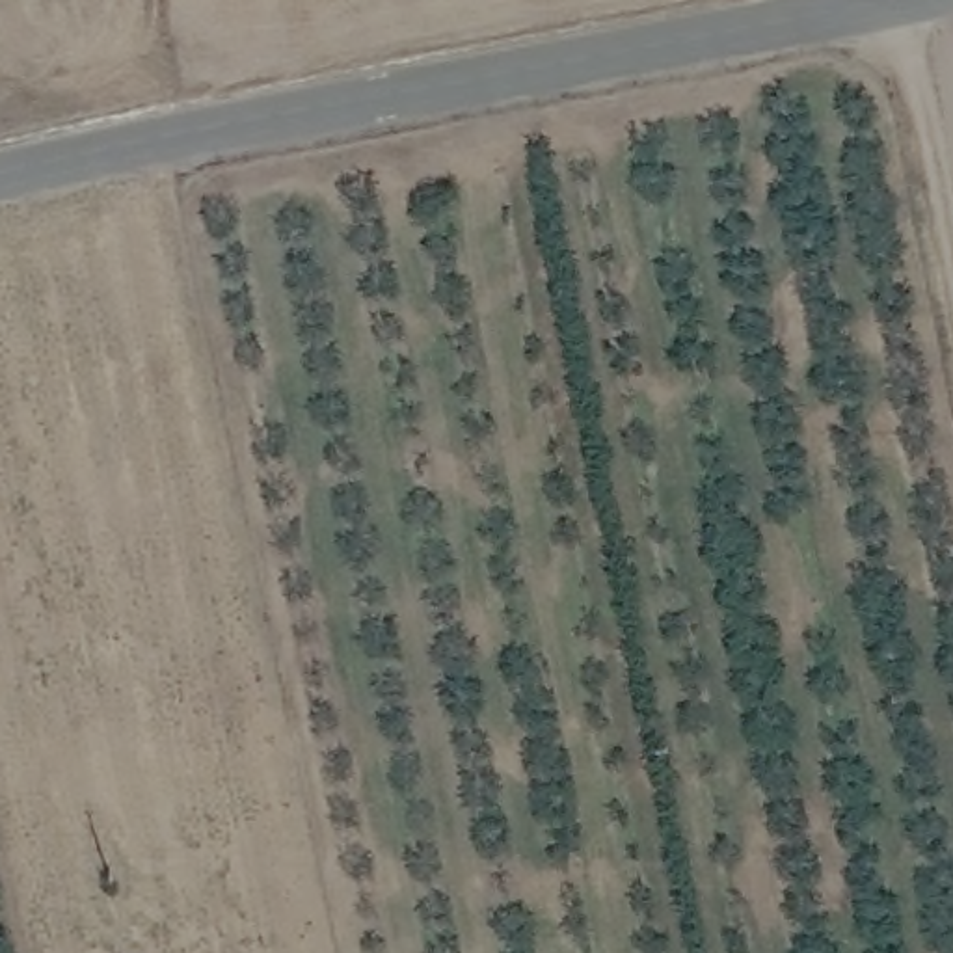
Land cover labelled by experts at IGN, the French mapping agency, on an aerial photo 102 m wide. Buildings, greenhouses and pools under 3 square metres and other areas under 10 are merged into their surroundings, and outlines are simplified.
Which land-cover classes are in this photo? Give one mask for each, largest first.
<instances>
[{"label":"herbaceous vegetation","instance_id":"1","mask_svg":"<svg viewBox=\"0 0 953 953\"><path fill-rule=\"evenodd\" d=\"M774 78L793 97L808 101L812 130L819 134L815 164L823 168L826 194H845V123L834 108V89L841 82L864 86V93L875 101V123L886 149V182L897 197V235L905 249L901 264L893 268V279L912 287V328L916 346L927 361V402L934 436L923 454L908 458L897 436V409L886 402L867 413V447L879 465L875 499L890 517L886 570H893L908 584L905 622L916 637L912 689L923 711V730L938 748V797L905 800L893 785L905 759L893 748L890 718L879 711L882 681L867 666L864 625L849 599L860 544L849 532V488H841L834 477L838 450L830 428L838 424V409L819 402V391L808 383L812 346L804 302L797 294V272L785 253L782 220L767 205L774 168L763 156L771 119L759 112V89ZM715 108H726L737 119V164L748 168V246L763 253L774 287L767 294H733L718 279V242L711 223L726 212L722 201L711 197V168L722 164V141L700 145L696 127V115ZM651 119H659L666 130L659 160L674 164V186L666 201H648L629 190V130H644V123ZM529 138H547L551 145L566 238L581 275V313L588 324L592 380L603 395L611 484L622 514V532L633 540L629 562L637 566L648 674L655 681L659 733L666 741L663 748L678 774V819L689 841V867L700 901L707 953H789L797 931L782 908L785 879L774 867L778 849L774 834L767 830L763 789L748 771L741 700L730 689L722 611L715 607V570L700 558L696 488L704 473L696 436L726 439L730 469L745 477L741 514L763 536L759 577L767 584V614L782 629V700L797 711L793 756L800 763L808 841L819 856V908L826 912V934L841 946V953H864V938L852 927V905L845 890L849 856L834 830V797L823 789V763L830 759L823 726L841 718H856V752L875 771L871 800H879L882 812L867 823V841L879 845L882 886L897 893L905 953H931L919 931V897L912 879L916 867H923L927 852H919L905 838L901 823L916 812H938L946 819V849L953 856V711L946 707L949 685L934 670L938 599L927 547L912 525V484L927 477V469H942L953 503V15L856 37H830L663 71L618 74L551 93H517L421 115H376L369 123L342 130L201 149L164 164L175 179L179 201V231L168 235V246L175 261L179 298L186 309L194 369L205 383L201 406L205 417H212L220 428L216 454L231 473V503L242 525L246 566L253 577L246 584L242 607L257 614L261 644L268 655L264 663H253V678L257 685L275 681L283 715L294 711V692L305 689L313 737L316 748L328 756V812L339 826V864L354 879L365 953H424L417 901L439 890L450 897L462 953H499L503 942L495 938L488 919L495 905L510 901H525L536 912V953H581L562 919V882H577L584 897L592 953H644L633 942V934L640 931V912H633L629 905V882H644L648 871L663 864V838L655 823L651 778L644 767L640 722L629 704L622 629L603 573V532L588 499L581 436L570 409L566 369L547 298V264L536 249L532 197L525 182ZM350 171H372L376 179L387 223V261L395 264L398 279L395 298H365L357 290V279L365 275V257L346 246L350 205L339 194V179ZM428 179H454L458 201L417 223L409 220L406 201L409 190ZM208 194L235 201L238 227L231 235L212 238L205 231L201 197ZM287 197H302L316 208L313 231L305 235L302 249H309L324 268V298L331 305V331L342 357L339 372L328 369L305 376L302 365V342L290 294L283 287V249L275 235V212ZM450 223H458V272L465 275L477 309L480 342L469 354H454L439 339V331L458 328L450 313L436 302V261L421 246V235L447 231ZM663 246H685L692 253L696 272L689 287L704 302L696 339L715 342V372H678L666 357L678 324L666 313L663 290L655 283V257ZM223 290H246L253 298V331L261 342L257 369L235 361V339L223 316ZM737 305L771 309L774 342H782L785 350V395L800 417V447L812 499L800 503V510H793L782 525L771 521L763 510V495L774 488V477L763 458V436L752 428L756 387L745 380L741 339L730 331V313ZM618 335L637 339V354L629 357L625 376L611 369L599 346L603 339ZM313 391H346L350 421L316 424L309 417ZM264 421H279V424H283V432H287V454H283V458H257V454H253V443L268 436ZM339 436H346L357 447V469H335L324 462V443ZM335 484H361L369 503L365 514L380 525V547L365 566H350L335 544V532L350 529L346 517L331 514ZM409 488L439 491V525H413L398 517V499ZM488 510H514L510 551L517 562V577L525 581L517 592H499L491 584V540L477 532V521ZM424 540H447L454 555L462 625L469 637H477V678L484 685L480 730L491 748V767L499 771V812L510 826L506 852L488 860L473 849L469 838L473 815L462 804L450 715L439 704L443 674L428 655L436 629L432 607L421 599L424 581L417 573V555ZM383 614H395L402 651L372 659L354 640V633L361 618ZM815 622H823L838 637V663L849 674L845 696L819 700L808 689L812 651L804 644V629ZM503 644L532 648L544 685L555 696L562 745L570 752L581 845L558 867H551L547 860V823L529 812V778L521 763L525 730L514 718V685L499 670ZM383 670H395L406 681L409 733L421 752L417 793L432 804V819H421L413 826H406V804H398L387 778L391 741L376 726L380 700L369 689V678ZM413 841L436 845L439 875L421 882L409 879V871L402 867V849ZM852 339L875 369H886L882 324L871 313L864 320H852Z\"/></svg>","mask_w":953,"mask_h":953},{"label":"agricultural land","instance_id":"2","mask_svg":"<svg viewBox=\"0 0 953 953\"><path fill-rule=\"evenodd\" d=\"M771 0H0V153L175 112L223 108L354 78H387L402 67L555 45L670 19L756 7ZM179 231V201L175 179L164 164L48 186L19 197H0V953H365L354 879L339 864V826L328 812V756L316 748L313 737L305 689L294 692V711L283 715L275 681L257 685L253 678V663H264L268 655L261 644L257 614L242 607L246 584L253 577L246 566L242 525L231 503V473L216 454L220 428L212 417H205L201 406L205 383L194 369L186 309L179 298L175 261L168 246V235Z\"/></svg>","mask_w":953,"mask_h":953},{"label":"deciduous trees","instance_id":"3","mask_svg":"<svg viewBox=\"0 0 953 953\"><path fill-rule=\"evenodd\" d=\"M834 108L845 123V194H826L823 168L815 164L819 134L812 130L808 101L793 97L774 78L759 89V112L771 119L763 156L774 168L767 205L782 220L785 253L797 272V294L804 302L812 346L808 383L819 391V402L838 409V424L830 428L838 450L834 477L841 488H849V532L860 544L849 599L864 625L867 666L882 681L879 711L890 718L893 748L905 759L893 785L905 800L938 797V748L923 730V711L912 689L916 637L905 622L908 584L893 570H886L890 517L875 499L879 465L867 447V413L886 402L897 409V436L908 458L923 454L934 436L927 402V361L916 346L912 328V287L893 279V268L901 264L905 249L897 235V197L886 182V149L875 123V101L864 93V86L841 82L834 89ZM871 313L882 324L886 369H875L852 339V320H864ZM696 127L700 145L722 141V164L711 168V197L722 201L726 212L711 223L718 242V279L733 294H767L774 287L763 253L748 246V168L737 164V119L726 108H715L696 115ZM666 130L659 119H651L644 123V130H629V190L648 201H666L674 186V164L659 160ZM525 182L532 197L536 249L547 264V298L566 369L570 409L581 436L588 499L603 532V573L622 629L629 704L640 722L644 767L651 778L655 823L663 838V864L648 871L644 882H629V905L633 912H640V931L633 934V942L644 953H707L700 901L689 867V841L678 819V774L663 748L666 741L659 733L655 681L648 674L637 566L629 562L633 540L622 532V514L611 484L603 395L592 380L588 324L581 313V275L566 238L551 145L547 138H529ZM339 194L350 205L346 246L365 257V275L357 279V290L365 298H395L398 279L395 264L387 261V223L376 179L372 171H350L339 179ZM458 201L454 179H428L409 190L406 201L409 220L417 223ZM205 231L212 238L231 235L238 227L235 201L208 194L201 197ZM316 208L302 197H287L275 212V235L283 249V287L290 294L302 342V365L305 376L328 369L339 372L342 357L331 331V305L324 298V268L309 249H302L305 235L313 231ZM421 246L436 261V302L450 313L458 328L439 331V339L454 354H469L480 342L477 309L465 275L458 272V223H450L447 231L421 235ZM696 272L692 253L685 246H663L655 257V283L663 290L666 313L678 324L666 357L678 372H715V342L696 339L704 302L689 287ZM223 316L235 339V361L257 369L261 342L253 331V298L246 290H223ZM730 331L741 339L745 380L756 387L752 428L763 436V458L774 477V488L763 495V510L771 521L782 525L793 510H800V503L812 499L800 447V417L785 395V350L782 342H774L771 309L737 305L730 313ZM599 346L611 369L625 376L629 357L637 354V339L618 335L603 339ZM309 417L316 424L350 421L346 391H313ZM268 436L253 443V454H257V458H283V454H287V432H283V424H279V421H264ZM324 462L335 469H357V447L346 436H339L324 443ZM704 473L696 488L700 558L715 570V607L722 611L730 689L741 700L748 771L763 789L767 830L774 834L778 849L774 867L785 879L782 908L797 931L789 953H841V946L826 934V912L819 908V856L808 841L800 763L793 756L797 711L782 700V629L767 614V584L759 577L763 536L741 514L745 477L730 469L726 439L696 436ZM912 525L927 547L938 599L934 670L949 685L946 707L953 711V503L942 469H927V477L912 484ZM369 503L361 484H335L331 514L346 517L350 529L335 532V544L350 566H365L380 547V525L365 514ZM398 517L413 525H439V491L409 488L398 499ZM477 532L491 540V584L499 592H517L525 581L517 577V562L510 551L514 510H488L477 521ZM417 573L424 581L421 599L432 607L436 629L428 655L443 674L439 704L450 715L462 804L473 815L469 838L473 849L488 860L506 852L510 826L499 812V771L491 767V748L480 730L484 685L477 678V637H469L462 625L454 555L447 540H424L417 555ZM354 640L372 659L402 651L395 614H383L361 618L354 633ZM804 644L812 651L808 689L819 700L845 696L849 674L838 663V637L823 622H815L804 629ZM499 670L514 685V718L525 730L521 763L529 778V812L547 823V860L551 867H558L581 845L570 752L562 745L555 696L544 685L532 648L503 644ZM369 689L380 700L376 726L391 741L387 778L398 804H406V826H413L421 819H432V804L417 793L421 752L409 733L406 681L395 670H383L369 678ZM830 759L823 763V789L834 797V830L849 856L845 890L852 905V927L864 938V953H905L897 893L882 886L879 845L867 841V823L882 812L879 800H871L875 771L856 752V718H841L823 726ZM905 838L919 852H927L923 867H916L912 879L919 897V931L931 953H953V856L946 849V819L938 812H916L901 823ZM402 867L409 871V879L421 882L439 875L436 845L413 841L402 849ZM562 919L581 953H592L584 897L577 882H562ZM424 953H462L450 897L439 890L417 901ZM495 938L503 942L499 953H536V912L525 901H510L495 905L488 919Z\"/></svg>","mask_w":953,"mask_h":953},{"label":"impervious surface","instance_id":"4","mask_svg":"<svg viewBox=\"0 0 953 953\"><path fill-rule=\"evenodd\" d=\"M953 15V0H771L756 7L670 19L555 45L402 67L387 78H354L223 108L175 112L0 153V197H19L48 186L164 164L201 149L342 130L369 123L376 115H421L517 93H551L618 74L663 71L830 37H856Z\"/></svg>","mask_w":953,"mask_h":953}]
</instances>
